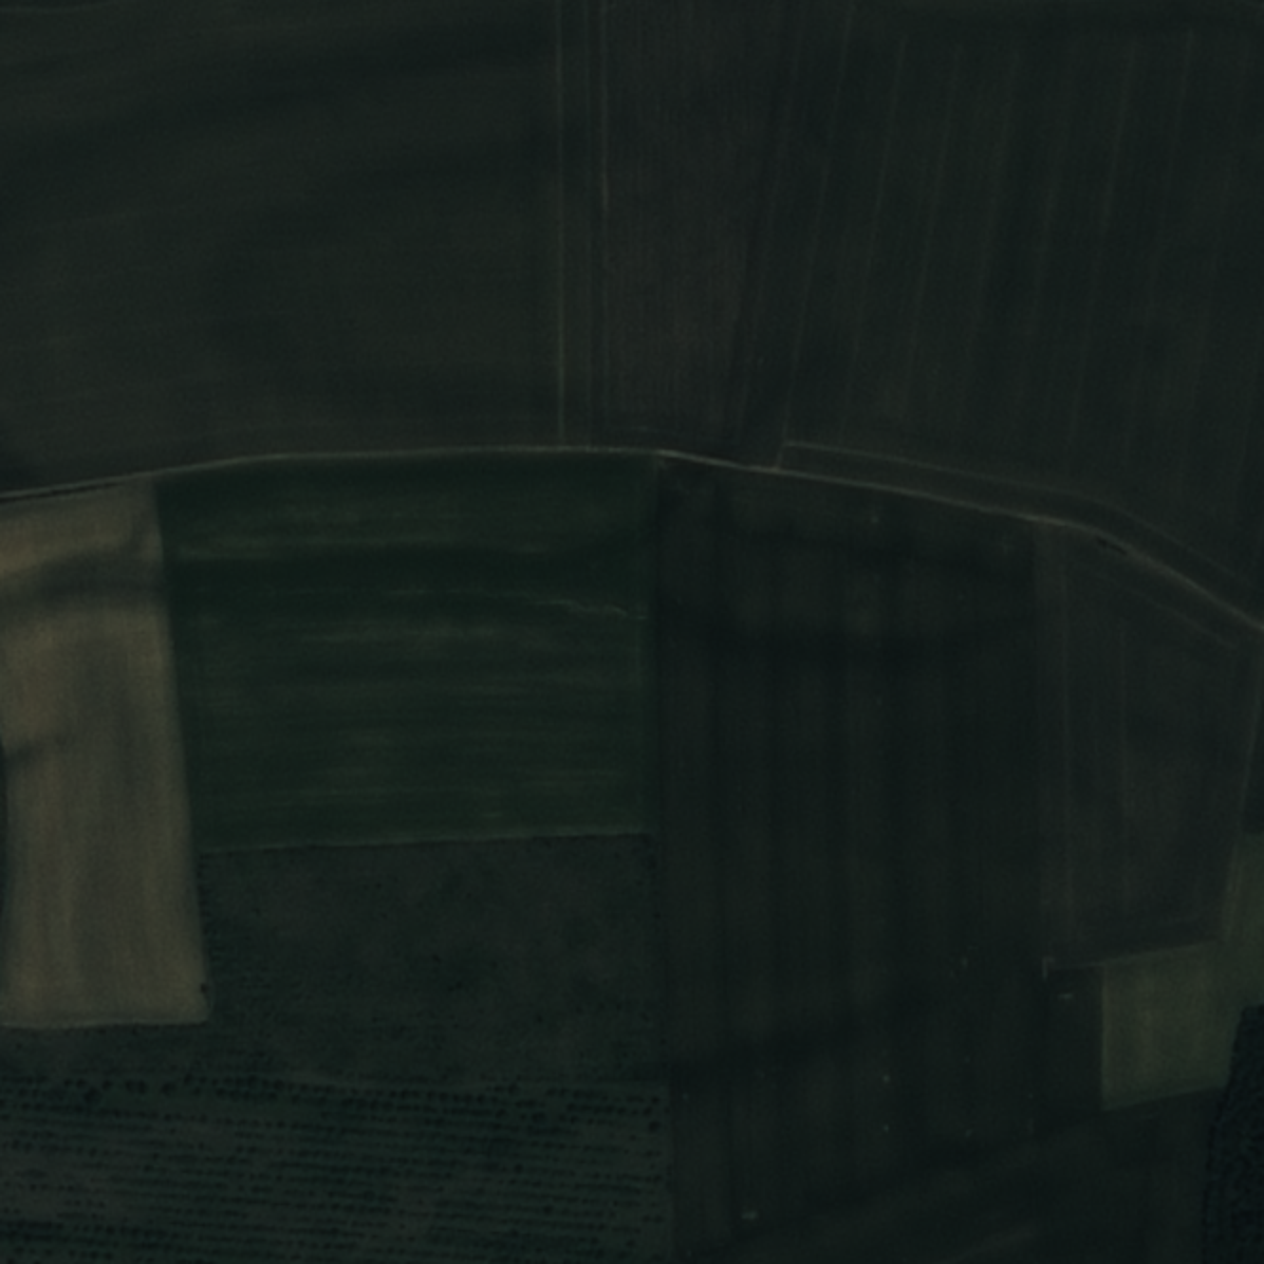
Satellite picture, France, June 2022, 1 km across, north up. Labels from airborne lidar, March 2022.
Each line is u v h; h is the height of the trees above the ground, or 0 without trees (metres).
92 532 0
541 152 0
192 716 0
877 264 0
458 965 0
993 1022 0
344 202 0
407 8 0
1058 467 0
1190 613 0
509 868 0
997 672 0
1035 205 0
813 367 0
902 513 0
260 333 0
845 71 0
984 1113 0
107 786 0
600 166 0
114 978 0
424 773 0
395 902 0
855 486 0
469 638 0
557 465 0
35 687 0
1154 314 0
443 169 0
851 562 0
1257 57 0
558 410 0
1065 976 0
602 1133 0
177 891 0
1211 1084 0
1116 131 0
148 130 0
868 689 0
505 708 0
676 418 0
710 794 0
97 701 0
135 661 0
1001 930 0
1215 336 0
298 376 0
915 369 0
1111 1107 0
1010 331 0
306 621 0
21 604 0
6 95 0
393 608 0
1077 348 0
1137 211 0
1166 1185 0
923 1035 0
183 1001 0
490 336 0
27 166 0
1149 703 0
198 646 0
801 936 0
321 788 0
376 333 0
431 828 0
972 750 0
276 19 0
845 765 0
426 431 0
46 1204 0
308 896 0
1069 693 0
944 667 0
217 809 0
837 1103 0
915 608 0
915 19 0
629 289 0
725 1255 0
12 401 0
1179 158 0
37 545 0
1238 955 0
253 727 0
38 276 0
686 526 0
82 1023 0
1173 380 0
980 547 0
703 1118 0
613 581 0
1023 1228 0
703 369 0
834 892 0
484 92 0
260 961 0
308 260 0
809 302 0
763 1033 0
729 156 0
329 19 0
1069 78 0
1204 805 0
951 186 0
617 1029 0
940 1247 0
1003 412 0
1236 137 0
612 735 0
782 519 0
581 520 0
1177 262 0
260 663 0
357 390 0
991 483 0
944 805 0
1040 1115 0
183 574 0
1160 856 0
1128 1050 0
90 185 0
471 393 0
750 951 0
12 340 0
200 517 0
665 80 0
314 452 0
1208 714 0
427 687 0
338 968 0
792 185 0
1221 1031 0
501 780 0
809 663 0
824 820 0
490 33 0
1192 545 0
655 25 0
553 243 0
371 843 0
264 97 0
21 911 0
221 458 0
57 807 0
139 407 0
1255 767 0
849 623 0
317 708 0
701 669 0
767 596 0
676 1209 0
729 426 0
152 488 0
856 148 0
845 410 0
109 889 0
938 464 0
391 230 0
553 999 0
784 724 0
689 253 0
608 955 0
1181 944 0
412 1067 0
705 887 0
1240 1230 15
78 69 0
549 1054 0
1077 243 0
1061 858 0
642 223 0
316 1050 0
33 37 0
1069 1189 0
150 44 0
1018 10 0
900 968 0
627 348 0
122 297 0
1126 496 0
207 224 0
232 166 0
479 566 0
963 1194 0
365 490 0
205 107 0
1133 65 0
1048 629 0
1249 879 0
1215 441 0
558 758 0
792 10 0
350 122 0
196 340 0
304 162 0
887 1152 0
